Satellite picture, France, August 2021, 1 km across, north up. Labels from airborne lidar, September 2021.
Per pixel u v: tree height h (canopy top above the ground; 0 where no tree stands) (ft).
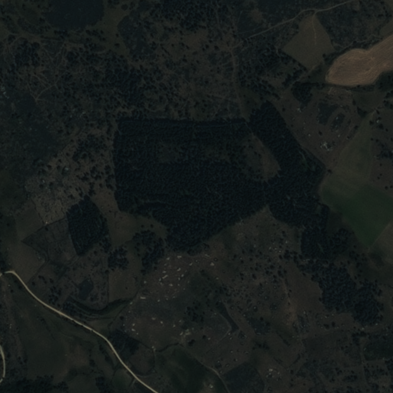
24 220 0
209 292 0
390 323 0
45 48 0
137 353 0
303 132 0
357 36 0
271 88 47
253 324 0
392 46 0
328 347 0
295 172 76
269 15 0
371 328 0
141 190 83
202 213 35
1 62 0
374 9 0
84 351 0
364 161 0
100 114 0
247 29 0
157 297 0
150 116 0
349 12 0
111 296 0
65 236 0
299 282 0
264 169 0
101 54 0
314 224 83
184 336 0
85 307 25
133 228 0
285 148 68
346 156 0
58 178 0
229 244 0
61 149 0
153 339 0
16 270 0
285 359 0
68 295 0
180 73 0
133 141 63
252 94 0
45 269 0
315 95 0
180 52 0
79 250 62
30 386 53
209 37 0
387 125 0
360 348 0
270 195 62
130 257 0
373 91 0
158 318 0
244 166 52
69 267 0
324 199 0
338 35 0
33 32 0
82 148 48
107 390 56
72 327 0
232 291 0
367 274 0
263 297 0
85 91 27
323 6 0
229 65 0
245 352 0
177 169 61
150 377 0
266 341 0
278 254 0
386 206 0
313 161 33
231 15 0
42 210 0
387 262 0
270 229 0
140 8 0
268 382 0
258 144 0
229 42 0
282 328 0
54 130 0
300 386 0
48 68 0
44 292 0
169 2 55
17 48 22
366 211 0
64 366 0
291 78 59
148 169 48
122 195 76
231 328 0
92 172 39
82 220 67
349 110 0
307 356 0
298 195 70
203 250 0
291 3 0
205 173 68
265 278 0
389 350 0
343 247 40
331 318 0
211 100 0
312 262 43
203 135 69
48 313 0
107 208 0
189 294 0
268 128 64
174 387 0
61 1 0
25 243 0
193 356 0
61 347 0
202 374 0
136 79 56
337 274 42
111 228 0
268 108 69
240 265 0
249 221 0
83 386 0
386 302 0
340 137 0
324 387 0
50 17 0
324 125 0
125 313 0
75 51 0
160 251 44
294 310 0
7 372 28
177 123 51
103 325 0
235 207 71
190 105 0
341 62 0
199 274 0
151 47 20
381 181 0
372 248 0
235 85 0
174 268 0
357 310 34
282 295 0
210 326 0
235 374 0
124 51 0
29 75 23
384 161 0
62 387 22
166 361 0
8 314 0
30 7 0
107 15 0
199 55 0
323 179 0
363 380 0
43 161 0
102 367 0
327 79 0
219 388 0
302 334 0
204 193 81
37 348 0
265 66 45
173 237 40
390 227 0
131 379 0
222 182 55
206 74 0
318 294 0
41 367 0
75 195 0
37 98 0
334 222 0
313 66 0
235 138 66
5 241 0
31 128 0
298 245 0
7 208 0
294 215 74
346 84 0
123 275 0
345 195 0
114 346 19
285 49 0
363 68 0
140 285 0
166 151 0
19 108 0
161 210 62
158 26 0
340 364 0
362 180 0
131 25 0
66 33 22
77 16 0
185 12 39
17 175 0
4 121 0
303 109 0
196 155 69
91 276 0
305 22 0
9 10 0
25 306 0
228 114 0
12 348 0
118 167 59
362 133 0
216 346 0
